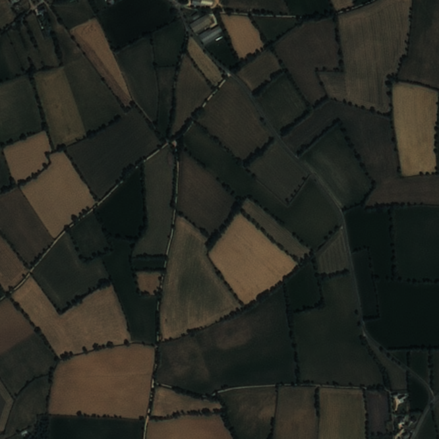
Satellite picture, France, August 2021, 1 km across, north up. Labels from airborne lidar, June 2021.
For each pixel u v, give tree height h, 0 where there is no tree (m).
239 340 0
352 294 0
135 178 0
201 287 0
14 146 0
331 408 0
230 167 0
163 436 0
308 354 0
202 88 0
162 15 0
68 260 0
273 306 0
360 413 0
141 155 0
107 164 0
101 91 0
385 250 0
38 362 0
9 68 0
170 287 0
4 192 11
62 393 0
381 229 0
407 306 0
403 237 0
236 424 0
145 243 0
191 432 0
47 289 0
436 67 0
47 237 0
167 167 0
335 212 0
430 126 0
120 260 0
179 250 0
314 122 0
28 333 0
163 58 0
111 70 0
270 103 0
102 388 0
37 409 0
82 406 0
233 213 14
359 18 0
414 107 0
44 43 0
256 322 0
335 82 0
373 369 0
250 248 0
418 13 0
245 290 0
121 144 0
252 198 12
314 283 0
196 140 0
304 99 11
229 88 0
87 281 0
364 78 0
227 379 0
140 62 0
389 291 0
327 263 0
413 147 0
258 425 0
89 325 0
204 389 0
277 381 0
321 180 0
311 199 0
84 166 0
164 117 0
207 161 0
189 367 0
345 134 14
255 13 12
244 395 0
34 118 0
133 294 0
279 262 0
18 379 0
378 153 0
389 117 10
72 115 0
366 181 0
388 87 12
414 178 0
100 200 6
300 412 0
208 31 0
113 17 0
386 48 0
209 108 0
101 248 0
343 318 0
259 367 0
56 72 0
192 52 0
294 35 0
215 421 0
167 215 0
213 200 0
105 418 10
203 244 0
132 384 0
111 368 0
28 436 9
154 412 0
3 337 0
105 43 0
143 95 0
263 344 0
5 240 9
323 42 0
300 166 0
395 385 0
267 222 0
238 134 0
